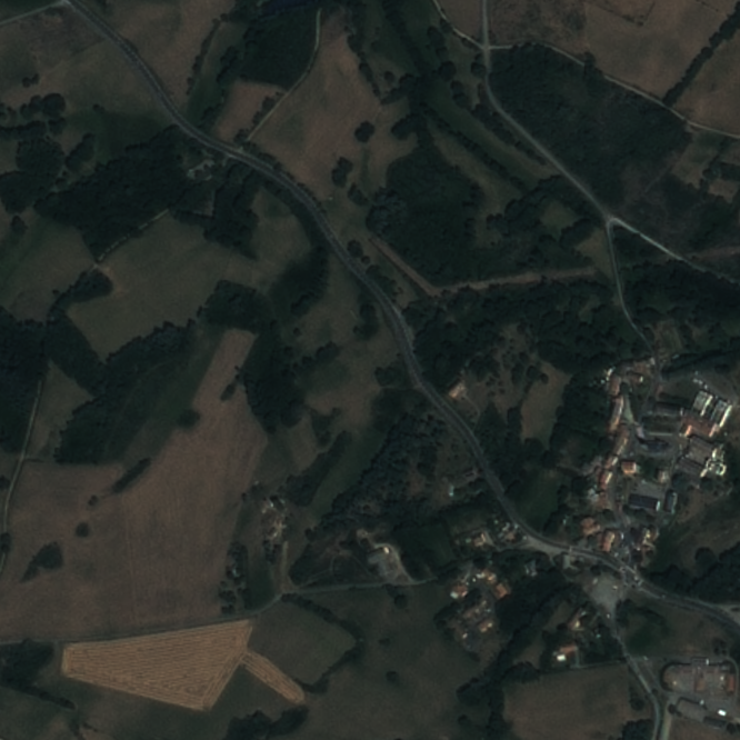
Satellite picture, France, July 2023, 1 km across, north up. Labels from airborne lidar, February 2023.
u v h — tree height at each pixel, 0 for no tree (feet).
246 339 0
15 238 0
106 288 66
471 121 0
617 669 0
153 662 0
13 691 0
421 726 0
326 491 0
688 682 0
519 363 23
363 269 0
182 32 0
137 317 0
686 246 0
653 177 0
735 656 27
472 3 0
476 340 65
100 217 29
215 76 0
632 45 0
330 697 0
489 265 0
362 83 0
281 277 0
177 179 26
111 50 0
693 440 0
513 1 0
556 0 0
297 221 0
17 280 0
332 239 0
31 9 0
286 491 26
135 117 0
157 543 0
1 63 0
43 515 0
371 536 0
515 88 42
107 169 69
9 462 0
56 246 0
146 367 21
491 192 0
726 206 39
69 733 0
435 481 27
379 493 27
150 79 0
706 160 0
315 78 0
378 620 0
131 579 0
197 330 61
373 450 0
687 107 0
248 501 35
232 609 39
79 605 0
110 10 0
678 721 0
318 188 0
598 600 0
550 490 0
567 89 0
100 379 35
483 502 47
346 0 23
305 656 0
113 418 33
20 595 0
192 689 0
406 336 0
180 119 0
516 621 29
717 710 0
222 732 0
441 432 61
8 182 54
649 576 32
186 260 0
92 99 0
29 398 86
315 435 0
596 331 53
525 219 48
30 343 70
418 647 0
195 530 0
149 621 0
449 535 23
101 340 0
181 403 0
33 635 0
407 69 0
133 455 0
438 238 18
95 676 0
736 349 58
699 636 0
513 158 0
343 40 0
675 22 0
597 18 0
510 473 25
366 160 0
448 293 38
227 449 0
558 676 0
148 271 0
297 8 30
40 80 30
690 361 61
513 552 25
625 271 30
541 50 36
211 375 0
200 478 0
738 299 42
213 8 0
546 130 22
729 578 58
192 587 0
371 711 0
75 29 0
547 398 0
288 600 24
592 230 78
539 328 48
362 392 0
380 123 0
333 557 0
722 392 0
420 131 64
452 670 0
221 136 0
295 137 0
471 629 0
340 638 0
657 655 0
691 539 0
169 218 0
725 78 0
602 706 0
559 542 0
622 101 28
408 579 0
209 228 50
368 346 0
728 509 0
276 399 51
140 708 0
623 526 0
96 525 0
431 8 0
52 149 46
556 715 0
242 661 0
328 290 41
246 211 59
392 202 84
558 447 50
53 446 0
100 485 0
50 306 0
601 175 26
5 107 40
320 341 0
